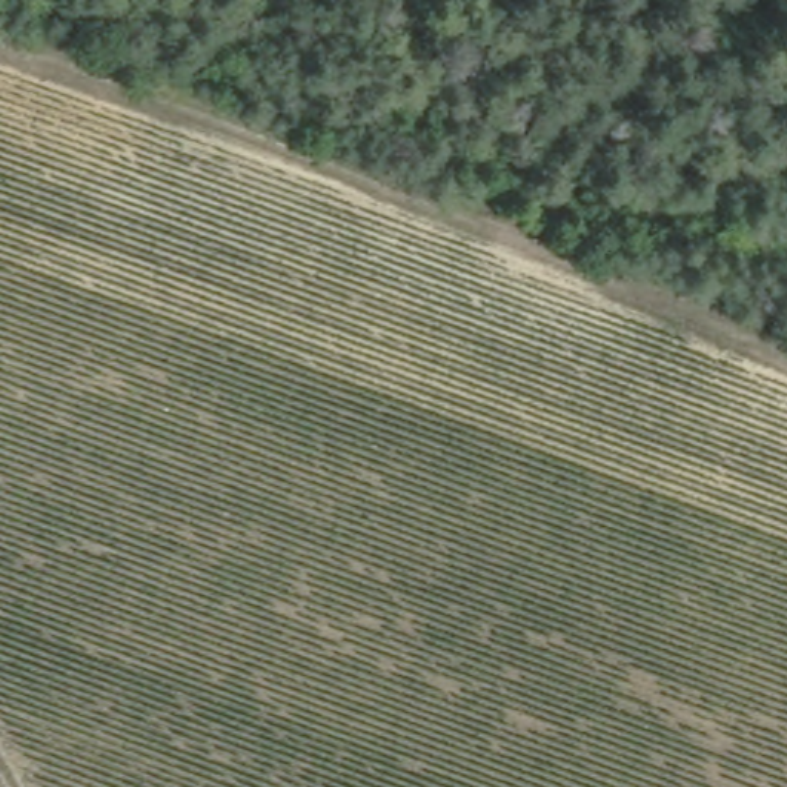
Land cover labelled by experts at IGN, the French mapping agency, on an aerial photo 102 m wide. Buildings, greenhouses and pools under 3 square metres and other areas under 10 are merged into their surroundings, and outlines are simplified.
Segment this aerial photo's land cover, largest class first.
<instances>
[{"label":"vineyard","instance_id":"1","mask_svg":"<svg viewBox=\"0 0 787 787\"><path fill-rule=\"evenodd\" d=\"M298 154L289 151L286 141L212 111L209 101H200L197 95L184 108L144 101L141 108H129L123 105V89L114 80L92 77L58 49L25 52L15 46H0V735L6 732L9 738H15L25 759L37 762V787H787V354H781L772 341L753 332H744L738 323L719 317L713 307H695L686 295H673L670 286H630L627 280H609L593 286L590 280L572 271L569 261L553 258L535 240H526L510 218H498L492 212L473 215L461 209L458 215H443L440 221H433V200L403 194L366 175L363 169L326 160L317 169H310L295 160Z\"/></svg>","mask_w":787,"mask_h":787},{"label":"coniferous trees","instance_id":"2","mask_svg":"<svg viewBox=\"0 0 787 787\"><path fill-rule=\"evenodd\" d=\"M0 46H15L25 52L58 49L92 77L114 80L123 89V105L129 108H141L144 101L184 108L197 95L200 101H209L212 111L286 141L289 151L298 154L295 160L310 169H317L326 160L363 169L366 175L403 194L433 200V221H440L443 215H458L461 209L473 215L492 212L498 218H510L526 240H535L553 258L569 261L572 271L590 280L593 286L609 280H627L630 286H670L673 295H686L695 307H713L719 317L738 323L744 332H753L772 341L781 354H787V0H0Z\"/></svg>","mask_w":787,"mask_h":787},{"label":"herbaceous vegetation","instance_id":"3","mask_svg":"<svg viewBox=\"0 0 787 787\"><path fill-rule=\"evenodd\" d=\"M37 762L25 759L15 738H9L6 732L0 735V787H37Z\"/></svg>","mask_w":787,"mask_h":787}]
</instances>
